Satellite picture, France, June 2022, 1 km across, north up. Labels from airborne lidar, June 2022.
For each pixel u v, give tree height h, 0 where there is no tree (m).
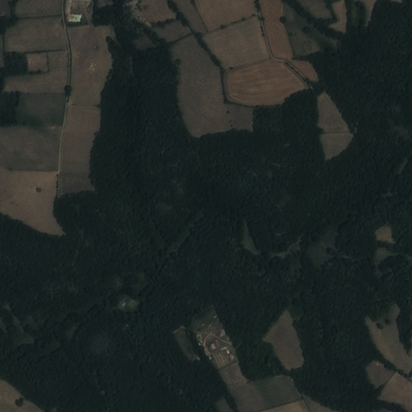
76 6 0
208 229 16
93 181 11
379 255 0
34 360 7
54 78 0
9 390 0
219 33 0
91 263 9
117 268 10
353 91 19
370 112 16
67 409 13
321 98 0
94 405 20
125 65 19
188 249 16
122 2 15
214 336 0
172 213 10
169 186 14
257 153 11
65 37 0
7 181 0
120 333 17
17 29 0
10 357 21
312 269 28
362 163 11
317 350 14
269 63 0
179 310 19
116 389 20
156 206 7
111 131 18
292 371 13
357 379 15
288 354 0
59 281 9
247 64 0
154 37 17
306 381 14
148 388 18
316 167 12
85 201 15
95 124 0
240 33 0
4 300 23
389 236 0
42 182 0
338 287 13
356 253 15
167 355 16
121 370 10
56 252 13
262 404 0
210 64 0
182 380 18
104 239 21
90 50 0
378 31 16
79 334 20
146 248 20
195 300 13
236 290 17
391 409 20
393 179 17
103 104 13
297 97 15
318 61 17
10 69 11
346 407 16
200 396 21
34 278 12
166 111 17
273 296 16
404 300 12
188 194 15
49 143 0
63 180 0
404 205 22
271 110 6
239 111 0
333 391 15
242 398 0
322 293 19
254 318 16
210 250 20
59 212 13
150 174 17
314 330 16
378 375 0
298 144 18
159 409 13
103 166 11
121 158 27
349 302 13
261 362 13
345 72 22
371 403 23
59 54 0
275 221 14
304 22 0
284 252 25
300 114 17
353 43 17
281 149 12
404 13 15
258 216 24
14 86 0
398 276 17
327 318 29
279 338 0
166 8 0
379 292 25
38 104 0
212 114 0
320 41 0
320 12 0
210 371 17
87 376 25
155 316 15
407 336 16
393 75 16
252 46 0
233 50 0
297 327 15
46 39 0
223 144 16
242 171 14
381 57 16
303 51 0
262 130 10
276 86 0
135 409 15
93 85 0
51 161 0
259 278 15
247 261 30
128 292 20
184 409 22
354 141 13
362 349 15
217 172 17
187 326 10
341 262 22
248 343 15
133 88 16
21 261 11
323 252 0
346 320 15
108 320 18
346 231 24
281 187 14
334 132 0
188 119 0
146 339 22
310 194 6
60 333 23
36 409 0
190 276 14
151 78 16
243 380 0
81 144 0
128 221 17
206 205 21
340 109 12
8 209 0
